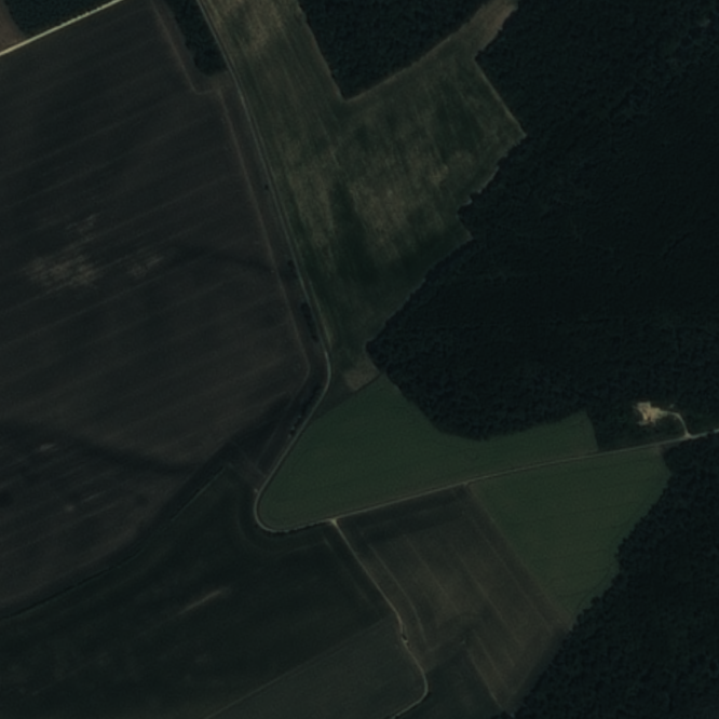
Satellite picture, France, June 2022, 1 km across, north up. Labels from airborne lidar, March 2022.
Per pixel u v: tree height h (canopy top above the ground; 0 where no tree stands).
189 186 0
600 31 20
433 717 0
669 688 14
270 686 0
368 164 0
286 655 0
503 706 0
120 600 0
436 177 0
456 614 0
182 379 0
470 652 0
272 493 0
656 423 0
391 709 0
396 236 0
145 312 0
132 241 0
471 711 0
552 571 0
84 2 15
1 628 0
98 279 0
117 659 0
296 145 0
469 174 0
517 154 17
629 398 15
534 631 0
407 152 0
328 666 0
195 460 0
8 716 0
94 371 0
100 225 0
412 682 0
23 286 0
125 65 0
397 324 19
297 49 0
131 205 0
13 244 0
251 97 0
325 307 0
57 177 0
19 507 0
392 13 20
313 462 0
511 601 0
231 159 0
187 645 0
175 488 0
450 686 0
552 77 18
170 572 0
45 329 0
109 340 0
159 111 0
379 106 0
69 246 0
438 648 0
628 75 26
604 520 0
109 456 0
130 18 0
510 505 0
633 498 0
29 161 0
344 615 0
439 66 0
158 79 0
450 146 0
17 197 0
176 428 0
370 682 0
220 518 0
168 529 0
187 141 0
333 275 0
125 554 0
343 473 0
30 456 0
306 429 0
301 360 0
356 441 0
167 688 0
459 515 0
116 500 0
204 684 0
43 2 17
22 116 0
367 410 0
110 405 0
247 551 0
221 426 0
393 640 0
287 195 0
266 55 0
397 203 0
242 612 0
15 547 0
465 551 0
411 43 14
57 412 0
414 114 0
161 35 0
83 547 0
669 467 6
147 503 0
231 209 0
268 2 0
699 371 13
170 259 0
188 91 0
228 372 0
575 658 13
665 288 7
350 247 0
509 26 15
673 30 24
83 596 0
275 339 0
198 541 0
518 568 0
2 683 0
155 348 0
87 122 0
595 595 0
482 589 0
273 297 0
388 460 0
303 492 0
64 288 0
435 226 0
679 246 7
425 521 0
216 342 0
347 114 0
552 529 0
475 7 17
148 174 0
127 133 0
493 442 0
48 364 0
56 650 0
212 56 17
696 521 8
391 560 0
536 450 0
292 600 0
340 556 0
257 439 0
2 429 0
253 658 0
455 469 0
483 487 0
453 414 7
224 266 0
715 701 18
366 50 19
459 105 0
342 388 0
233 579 0
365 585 0
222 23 0
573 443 0
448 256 0
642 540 13
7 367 0
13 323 0
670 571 8
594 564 0
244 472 0
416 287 0
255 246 0
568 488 0
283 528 0
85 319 0
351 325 0
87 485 0
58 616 0
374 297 0
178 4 16
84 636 0
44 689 0
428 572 0
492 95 0
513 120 0
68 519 0
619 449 0
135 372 0
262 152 0
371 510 0
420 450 0
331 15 20
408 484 0
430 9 20
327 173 0
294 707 0
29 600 0
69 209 0
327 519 0
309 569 0
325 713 0
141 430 0
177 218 0
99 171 0
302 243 0
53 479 0
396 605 0
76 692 0
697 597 8
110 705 0
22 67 0
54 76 0
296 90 0
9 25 0
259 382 0
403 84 0
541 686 11
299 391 0
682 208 10
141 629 0
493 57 17
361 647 0
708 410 15
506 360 8
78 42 0
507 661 0
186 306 0
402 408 0
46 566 0
